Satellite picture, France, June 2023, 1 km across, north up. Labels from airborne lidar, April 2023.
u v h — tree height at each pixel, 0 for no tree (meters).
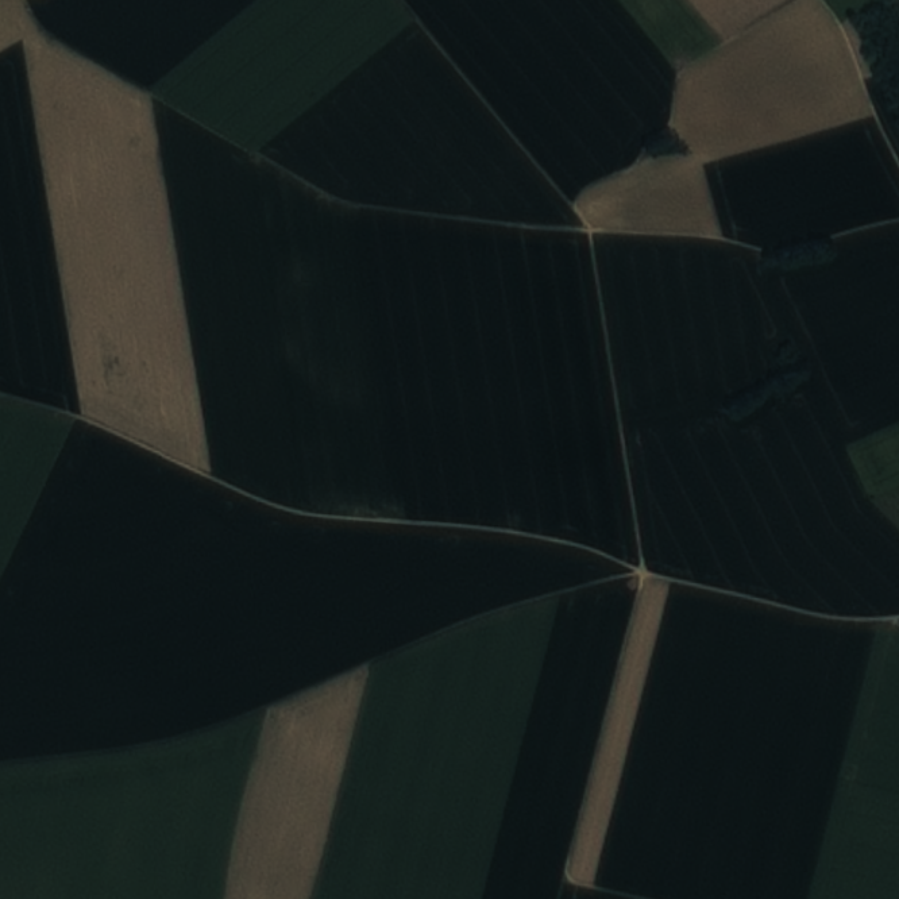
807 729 0
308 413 0
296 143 0
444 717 0
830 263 0
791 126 0
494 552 0
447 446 0
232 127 0
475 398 0
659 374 0
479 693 0
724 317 0
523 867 0
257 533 0
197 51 0
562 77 0
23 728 0
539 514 0
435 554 0
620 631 0
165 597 0
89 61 0
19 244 0
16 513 0
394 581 0
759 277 0
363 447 0
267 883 0
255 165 0
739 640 0
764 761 0
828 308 0
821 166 0
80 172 0
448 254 0
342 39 0
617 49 0
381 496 0
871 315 0
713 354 0
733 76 0
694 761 0
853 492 0
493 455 0
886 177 0
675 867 0
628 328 0
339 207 0
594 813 0
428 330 0
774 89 0
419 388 0
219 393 0
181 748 0
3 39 0
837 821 0
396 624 0
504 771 0
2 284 0
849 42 0
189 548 0
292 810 0
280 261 0
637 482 0
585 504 0
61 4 0
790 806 0
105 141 0
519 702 0
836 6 0
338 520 0
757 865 0
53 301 0
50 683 0
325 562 0
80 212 0
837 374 0
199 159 0
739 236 0
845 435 0
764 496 0
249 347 0
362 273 0
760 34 0
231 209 0
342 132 0
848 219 0
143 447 0
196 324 0
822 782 0
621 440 0
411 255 0
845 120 0
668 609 0
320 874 0
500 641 0
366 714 0
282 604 0
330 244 0
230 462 0
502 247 0
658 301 0
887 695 0
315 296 0
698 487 0
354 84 0
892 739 0
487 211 0
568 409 0
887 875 0
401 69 0
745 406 23
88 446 0
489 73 0
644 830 0
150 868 0
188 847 0
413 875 0
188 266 0
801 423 0
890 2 8
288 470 0
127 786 0
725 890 0
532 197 0
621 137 0
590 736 0
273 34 0
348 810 0
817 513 0
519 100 0
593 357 0
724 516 0
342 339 0
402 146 0
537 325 0
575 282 0
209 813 0
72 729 0
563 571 0
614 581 0
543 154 0
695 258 0
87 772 0
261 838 0
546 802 0
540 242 0
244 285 0
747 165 0
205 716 0
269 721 0
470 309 0
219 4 0
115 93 0
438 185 0
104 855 0
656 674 0
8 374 0
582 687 0
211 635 0
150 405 0
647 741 0
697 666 0
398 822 0
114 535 0
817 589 0
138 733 0
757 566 0
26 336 0
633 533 0
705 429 0
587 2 0
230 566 0
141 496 0
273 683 0
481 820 0
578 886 0
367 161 0
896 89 22
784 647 0
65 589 0
